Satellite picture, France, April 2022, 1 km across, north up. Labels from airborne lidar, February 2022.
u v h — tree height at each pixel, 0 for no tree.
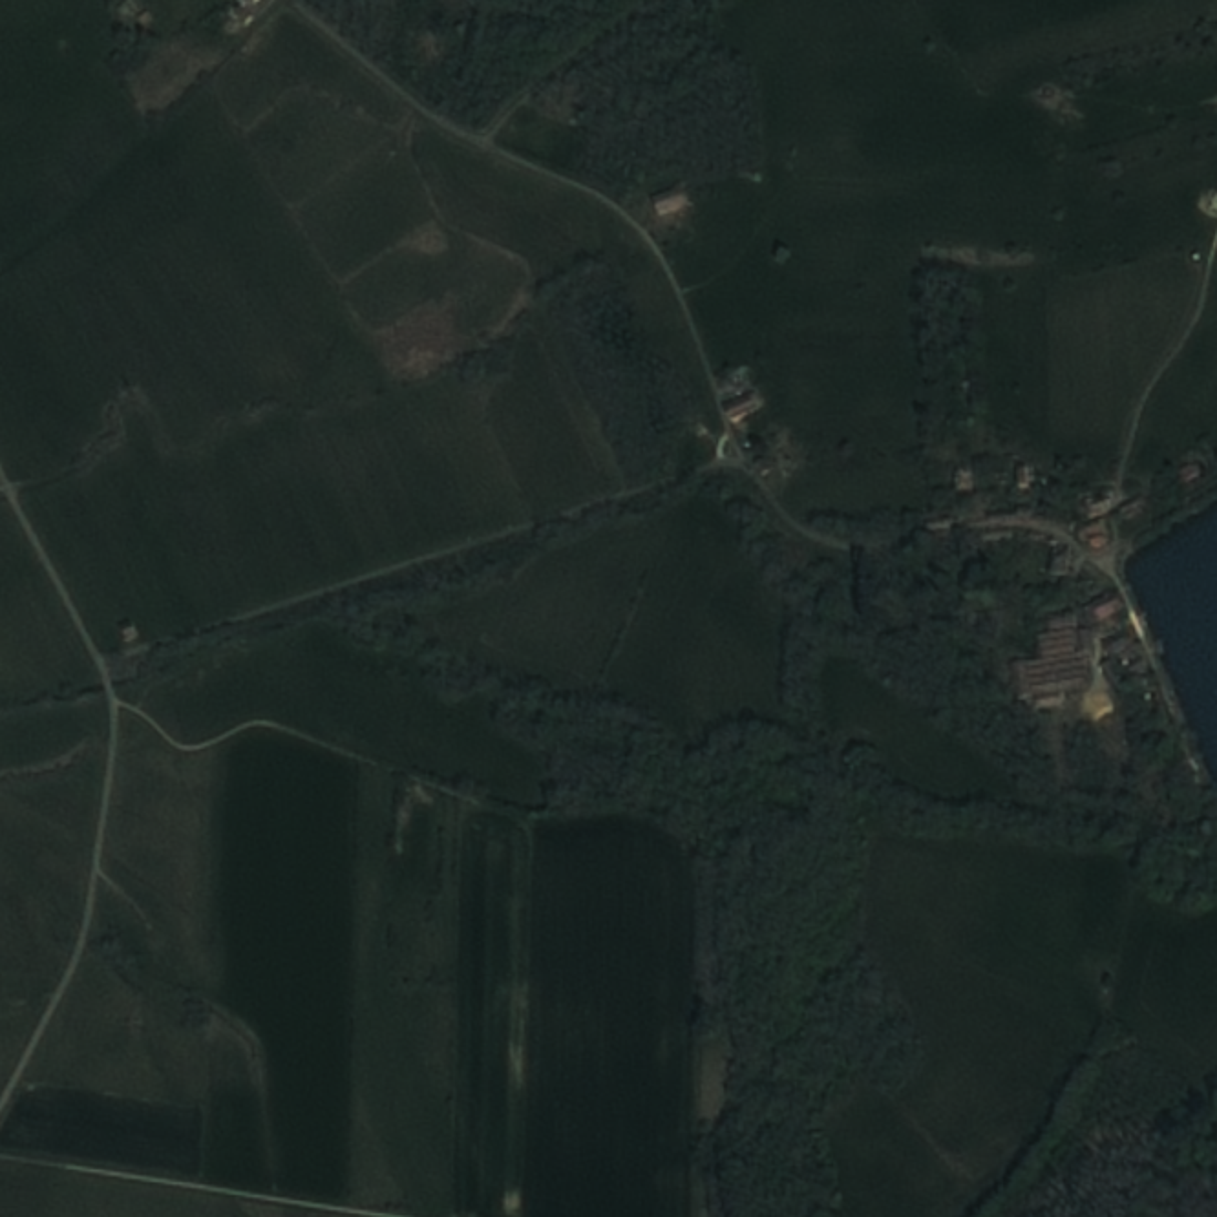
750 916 28
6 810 0
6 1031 0
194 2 0
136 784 0
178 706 0
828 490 0
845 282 0
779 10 0
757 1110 24
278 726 0
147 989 0
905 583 25
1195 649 0
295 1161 0
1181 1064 0
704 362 0
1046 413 0
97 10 0
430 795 0
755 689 0
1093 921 0
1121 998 0
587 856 0
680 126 14
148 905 0
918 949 0
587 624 0
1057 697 0
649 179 8
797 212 0
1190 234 0
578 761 22
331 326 0
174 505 0
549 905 0
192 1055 0
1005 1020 0
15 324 0
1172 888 25
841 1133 0
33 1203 0
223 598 0
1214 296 0
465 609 0
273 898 0
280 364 0
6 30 0
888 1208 0
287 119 0
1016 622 0
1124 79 0
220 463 0
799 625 19
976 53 0
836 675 0
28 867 0
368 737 0
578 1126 0
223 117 0
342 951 0
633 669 0
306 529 0
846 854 27
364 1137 0
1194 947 0
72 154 0
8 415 0
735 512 17
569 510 0
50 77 0
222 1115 0
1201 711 0
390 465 0
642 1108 0
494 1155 0
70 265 0
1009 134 0
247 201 0
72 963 0
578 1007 0
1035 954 0
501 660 0
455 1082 0
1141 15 0
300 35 0
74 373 0
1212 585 0
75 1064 0
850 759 12
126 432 0
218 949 0
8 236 0
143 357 0
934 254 0
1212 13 0
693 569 0
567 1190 0
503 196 0
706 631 0
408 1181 0
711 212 0
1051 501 15
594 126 16
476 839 0
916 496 0
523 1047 0
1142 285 0
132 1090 0
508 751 0
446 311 0
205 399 0
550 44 28
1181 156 0
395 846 7
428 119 0
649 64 20
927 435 10
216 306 0
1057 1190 25
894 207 0
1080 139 0
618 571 0
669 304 0
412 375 0
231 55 0
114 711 0
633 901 0
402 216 0
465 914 0
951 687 25
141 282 0
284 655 0
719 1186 19
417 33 0
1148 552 0
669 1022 0
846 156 0
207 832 0
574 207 0
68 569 0
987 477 17
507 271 0
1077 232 0
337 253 0
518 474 0
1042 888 0
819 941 27
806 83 0
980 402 14
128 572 0
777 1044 25
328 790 0
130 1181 0
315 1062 0
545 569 0
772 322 0
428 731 0
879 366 0
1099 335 0
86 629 0
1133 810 14
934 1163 0
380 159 0
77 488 0
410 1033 0
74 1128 0
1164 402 0
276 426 0
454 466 0
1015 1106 0
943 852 0
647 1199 0
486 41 23
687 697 0
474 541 0
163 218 0
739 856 28
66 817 0
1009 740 25
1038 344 0
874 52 0
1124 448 0
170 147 0
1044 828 21
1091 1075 20
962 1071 0
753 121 13
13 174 0
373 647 6
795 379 0
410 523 0
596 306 12
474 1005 0
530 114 0
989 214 0
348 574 0
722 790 15
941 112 0
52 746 0
